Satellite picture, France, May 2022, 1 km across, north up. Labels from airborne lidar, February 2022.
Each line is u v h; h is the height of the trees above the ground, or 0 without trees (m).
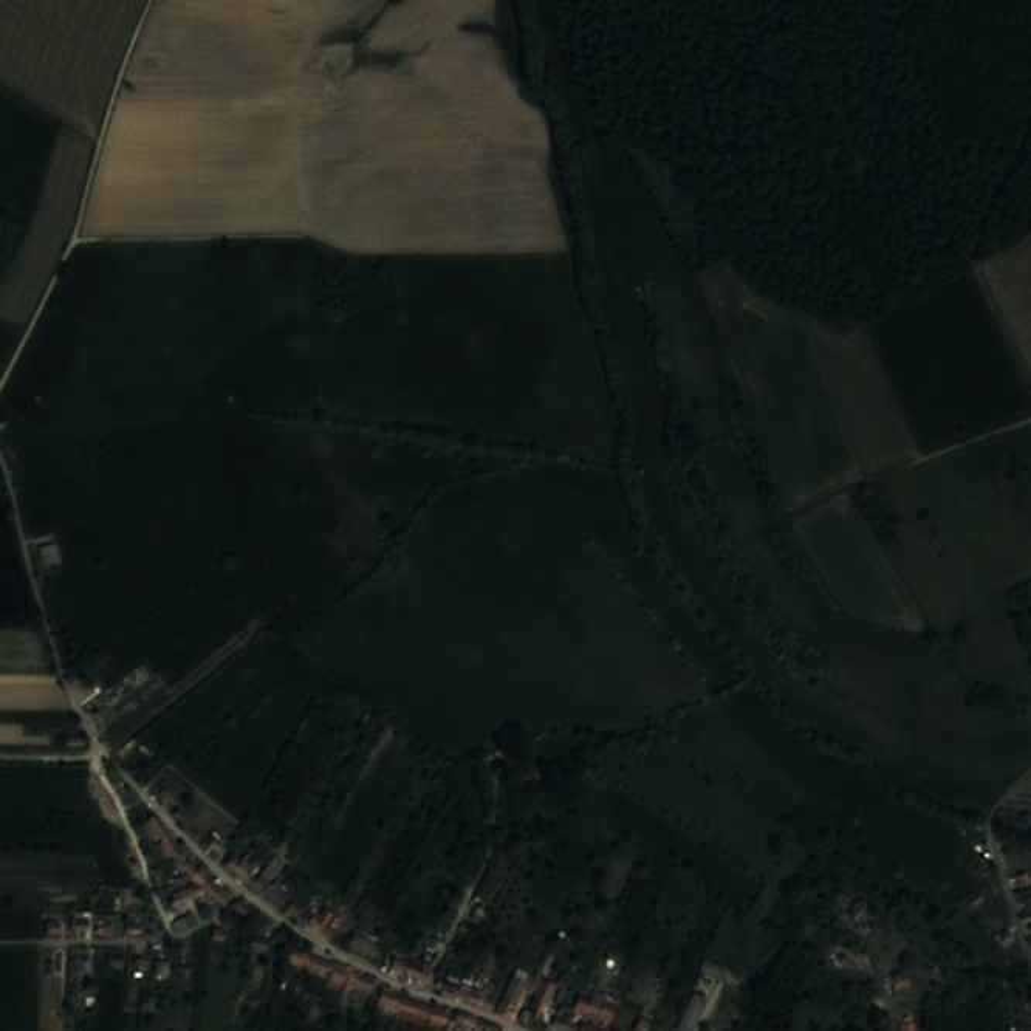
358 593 8
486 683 0
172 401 0
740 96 26
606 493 0
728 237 22
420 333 0
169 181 0
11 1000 0
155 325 0
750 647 0
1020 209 24
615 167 0
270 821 0
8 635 0
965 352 0
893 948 0
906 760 0
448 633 0
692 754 0
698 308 0
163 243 0
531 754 0
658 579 0
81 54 0
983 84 21
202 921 0
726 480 0
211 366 0
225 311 0
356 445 0
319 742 0
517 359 0
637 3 30
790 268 26
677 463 7
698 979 0
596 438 0
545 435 0
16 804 0
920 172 23
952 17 23
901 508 0
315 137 0
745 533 0
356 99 0
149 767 9
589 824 0
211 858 0
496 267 0
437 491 7
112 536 0
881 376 0
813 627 0
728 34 27
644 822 0
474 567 0
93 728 0
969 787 0
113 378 0
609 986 0
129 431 0
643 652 0
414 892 0
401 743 7
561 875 0
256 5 0
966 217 24
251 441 0
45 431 0
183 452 0
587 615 0
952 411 0
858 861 0
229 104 0
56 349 0
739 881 0
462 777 0
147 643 0
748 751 0
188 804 16
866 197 23
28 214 0
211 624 0
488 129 0
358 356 0
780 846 18
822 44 25
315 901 0
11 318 0
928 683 0
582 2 16
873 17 18
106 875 0
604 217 0
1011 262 0
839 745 11
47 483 0
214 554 0
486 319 0
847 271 28
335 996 0
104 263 0
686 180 22
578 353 0
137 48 0
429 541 0
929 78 23
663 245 0
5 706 0
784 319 0
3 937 0
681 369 0
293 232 0
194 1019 0
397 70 0
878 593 0
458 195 0
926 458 0
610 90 20
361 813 0
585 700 0
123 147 0
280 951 10
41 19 0
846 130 22
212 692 0
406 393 0
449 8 0
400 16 0
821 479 0
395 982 0
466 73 0
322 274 7
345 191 0
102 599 0
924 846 0
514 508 0
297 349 0
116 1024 0
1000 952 0
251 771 0
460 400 0
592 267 19
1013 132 21
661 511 0
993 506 0
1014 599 6
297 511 0
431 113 0
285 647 0
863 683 0
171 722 0
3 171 0
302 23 0
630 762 0
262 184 0
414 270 0
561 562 0
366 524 0
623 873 0
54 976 0
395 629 0
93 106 0
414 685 0
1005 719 0
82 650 8
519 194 0
